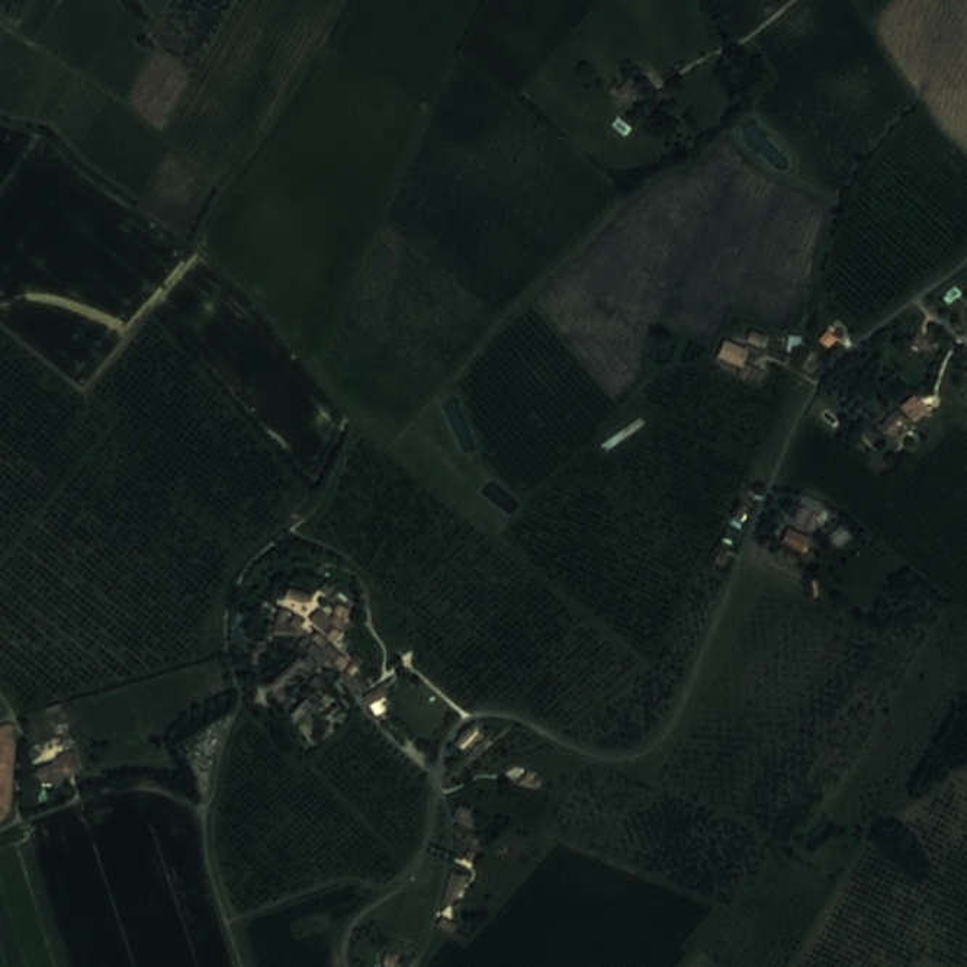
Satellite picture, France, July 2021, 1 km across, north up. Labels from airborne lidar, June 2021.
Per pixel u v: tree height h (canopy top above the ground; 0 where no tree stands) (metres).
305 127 0
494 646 6
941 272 0
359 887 0
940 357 7
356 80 0
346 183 0
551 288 0
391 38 0
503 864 0
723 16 9
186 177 0
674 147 7
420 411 0
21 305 0
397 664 8
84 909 0
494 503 0
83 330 0
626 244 0
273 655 12
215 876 0
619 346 0
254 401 0
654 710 9
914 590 10
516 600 5
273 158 0
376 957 0
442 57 0
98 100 0
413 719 0
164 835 0
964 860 6
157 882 0
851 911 6
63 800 13
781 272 0
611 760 0
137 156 0
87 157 0
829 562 0
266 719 8
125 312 0
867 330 0
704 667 0
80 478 6
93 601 5
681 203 0
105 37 0
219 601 0
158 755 0
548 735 0
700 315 0
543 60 0
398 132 0
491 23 0
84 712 0
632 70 11
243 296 0
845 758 9
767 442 0
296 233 0
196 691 0
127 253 0
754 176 0
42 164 0
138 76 0
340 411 0
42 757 0
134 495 6
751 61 10
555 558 6
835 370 11
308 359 0
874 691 9
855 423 10
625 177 6
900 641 7
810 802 9
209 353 0
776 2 0
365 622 12
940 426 0
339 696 10
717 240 0
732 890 7
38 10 0
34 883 0
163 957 0
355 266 0
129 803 0
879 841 20
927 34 0
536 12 0
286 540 8
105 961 0
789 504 17
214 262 0
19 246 0
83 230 0
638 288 0
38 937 0
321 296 0
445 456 0
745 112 11
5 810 0
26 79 0
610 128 0
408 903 0
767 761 7
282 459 8
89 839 0
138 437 5
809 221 0
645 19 0
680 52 0
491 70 0
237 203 0
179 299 0
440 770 0
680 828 7
